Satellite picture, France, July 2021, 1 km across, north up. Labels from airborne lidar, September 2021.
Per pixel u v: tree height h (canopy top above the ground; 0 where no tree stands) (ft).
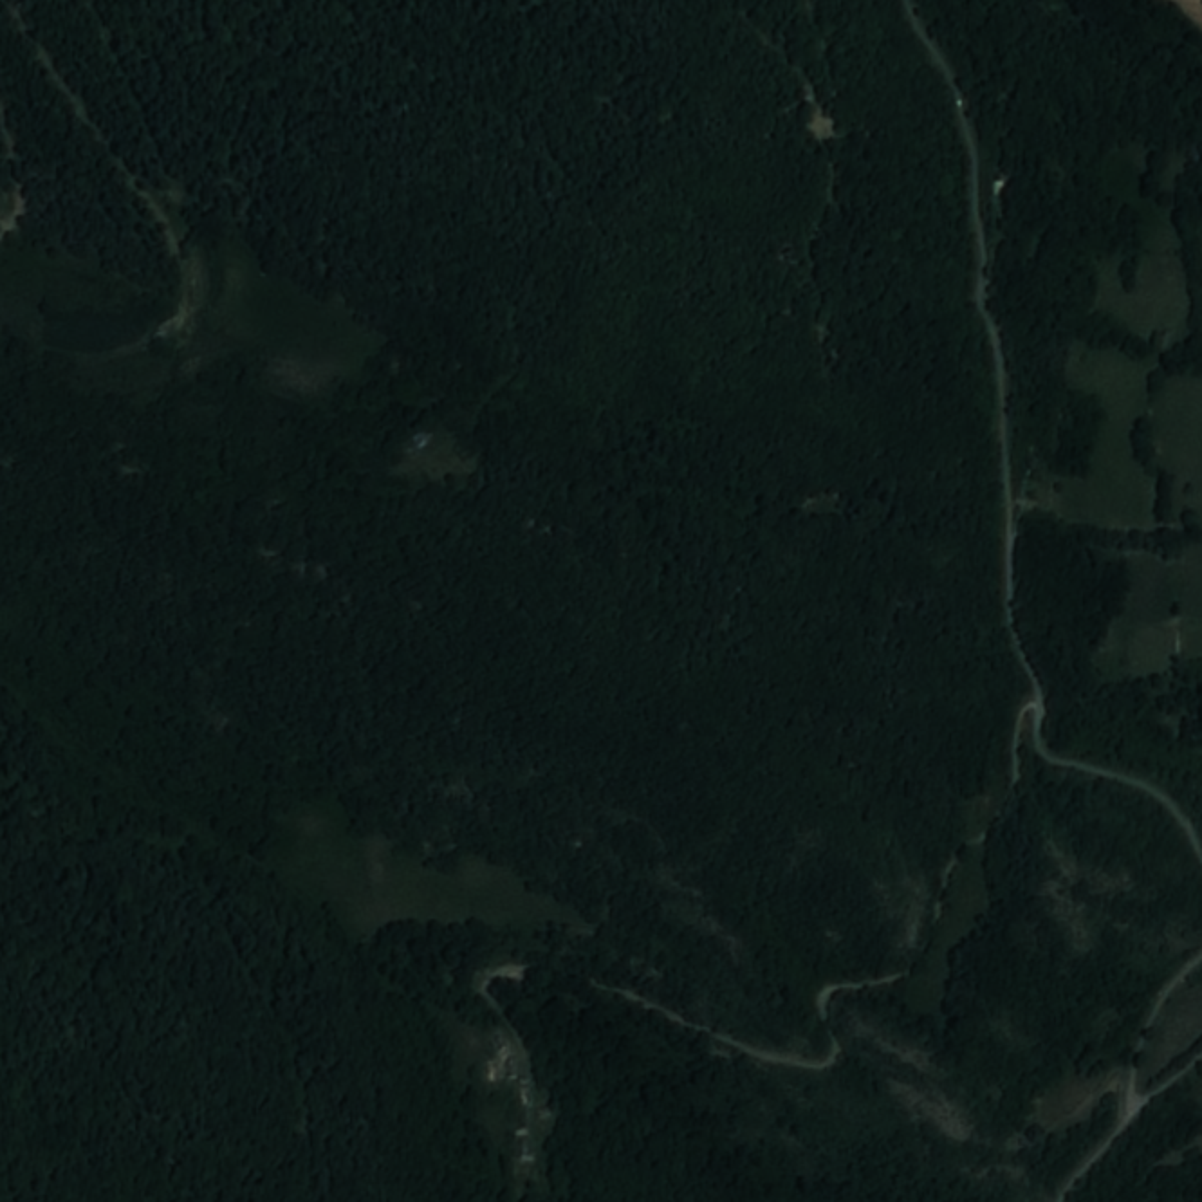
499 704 27
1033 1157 60
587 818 24
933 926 29
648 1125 83
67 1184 63
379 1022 42
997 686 50
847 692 77
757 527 68
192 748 39
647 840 47
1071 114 58
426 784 45
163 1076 68
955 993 34
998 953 33
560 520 84
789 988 73
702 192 52
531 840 45
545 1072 58
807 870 52
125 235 77
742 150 59
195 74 82
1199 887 31
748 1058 32
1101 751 31
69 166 59
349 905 0
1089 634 51
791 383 72
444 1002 67
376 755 52
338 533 52
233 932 64
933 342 76
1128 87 31
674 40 45
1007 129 40
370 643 43
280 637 44
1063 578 63
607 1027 52
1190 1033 0
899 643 76
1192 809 23
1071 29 32
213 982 57
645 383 55
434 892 0
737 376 66
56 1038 68
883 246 72
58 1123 58
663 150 53
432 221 74
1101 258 30
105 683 27
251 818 27
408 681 51
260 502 52
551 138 79
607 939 56
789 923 53
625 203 68
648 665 45
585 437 80
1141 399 0
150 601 29
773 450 76
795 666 69
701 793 48
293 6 72
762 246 79
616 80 76
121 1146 58
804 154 68
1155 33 46
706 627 70
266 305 0
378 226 82
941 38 57
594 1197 55
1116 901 28
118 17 58
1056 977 47
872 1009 22
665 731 49
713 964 35
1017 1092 43
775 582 71
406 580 56
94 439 28
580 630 22
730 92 63
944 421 83
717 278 69
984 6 73
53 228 56
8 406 38
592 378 53
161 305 27
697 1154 77
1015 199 76
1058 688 39
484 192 86
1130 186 0
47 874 58
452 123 83
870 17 78
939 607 80
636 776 57
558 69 67
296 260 56
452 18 56
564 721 44
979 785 41
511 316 74
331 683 52
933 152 43
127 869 64
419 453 0
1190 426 0
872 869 20
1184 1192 35
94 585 47
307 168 89
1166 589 0
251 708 34
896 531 60
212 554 54
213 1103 65
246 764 20
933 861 49
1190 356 59
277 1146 71
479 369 42
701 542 66
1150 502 0
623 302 48
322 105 65
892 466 82
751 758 56
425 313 73
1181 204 47
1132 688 54
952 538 61
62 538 59
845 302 88
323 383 0
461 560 54
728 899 40
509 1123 0
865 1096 20
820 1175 26
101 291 0
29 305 0
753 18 50
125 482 42
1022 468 39
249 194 34
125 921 76
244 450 21
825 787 44
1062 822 36
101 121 58
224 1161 95
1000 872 21
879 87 66
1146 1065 51
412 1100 44
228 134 61
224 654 45
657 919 47
